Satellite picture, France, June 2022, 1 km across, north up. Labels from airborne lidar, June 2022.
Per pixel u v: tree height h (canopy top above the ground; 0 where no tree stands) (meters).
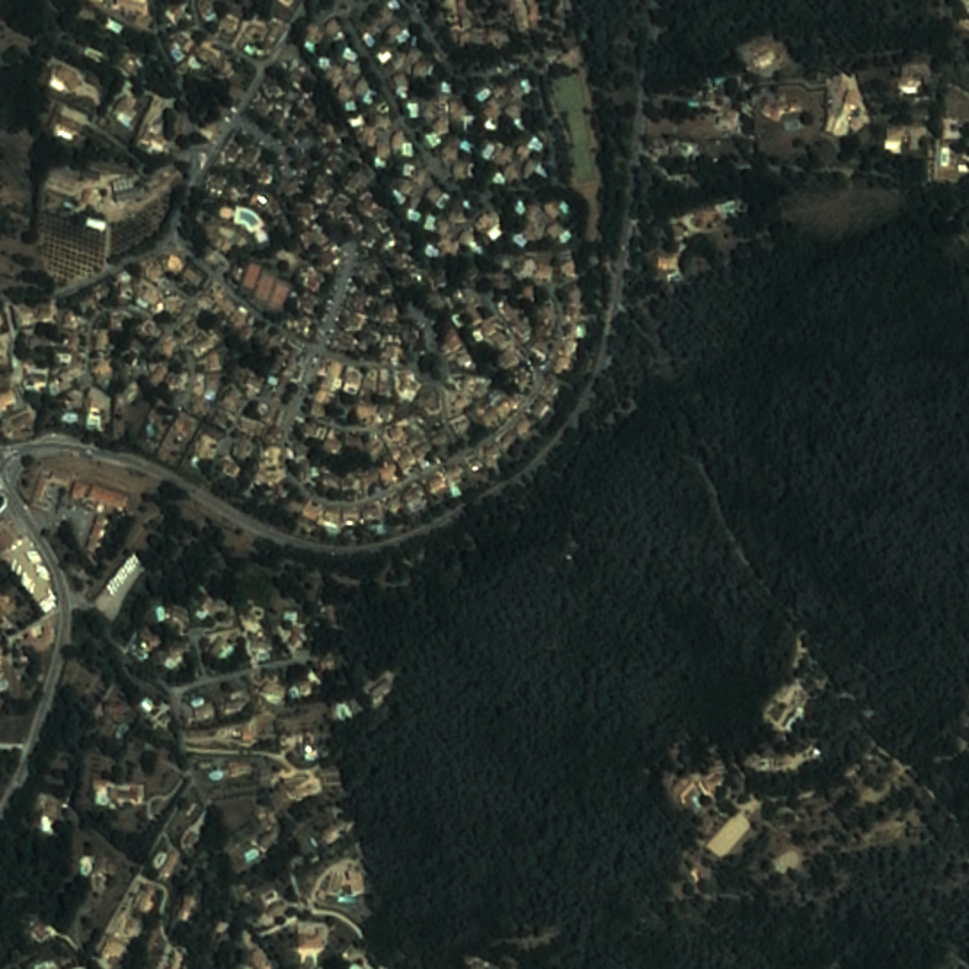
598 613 10
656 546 14
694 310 22
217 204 6
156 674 9
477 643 12
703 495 12
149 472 0
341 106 13
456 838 16
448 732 15
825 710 17
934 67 12
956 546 19
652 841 16
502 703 20
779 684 7
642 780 13
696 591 22
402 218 11
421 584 14
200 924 21
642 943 11
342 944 10
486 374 17
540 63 10
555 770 15
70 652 13
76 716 18
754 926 17
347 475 10
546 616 15
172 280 8
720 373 11
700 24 14
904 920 17
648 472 14
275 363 9
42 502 0
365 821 18
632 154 8
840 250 14
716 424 18
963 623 15
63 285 6
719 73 16
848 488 18
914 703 18
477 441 11
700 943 9
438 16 8
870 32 12
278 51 0
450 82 8
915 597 20
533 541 12
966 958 7
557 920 15
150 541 13
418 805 16
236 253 12
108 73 9
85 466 0
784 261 17
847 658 11
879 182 10
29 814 15
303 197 9
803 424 11
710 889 20
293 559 11
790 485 24
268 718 0
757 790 11
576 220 12
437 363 7
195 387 0
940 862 22
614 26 16
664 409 12
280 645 9
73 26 13
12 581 12
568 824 12
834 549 11
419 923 14
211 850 13
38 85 10
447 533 12
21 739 0
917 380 20
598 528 11
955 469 21
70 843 15
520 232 14
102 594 0
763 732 12
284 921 8
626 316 9
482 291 12
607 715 16
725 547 7
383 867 20
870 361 16
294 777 0
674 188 17
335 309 0
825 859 16
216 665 15
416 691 19
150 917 15
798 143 9
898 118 9
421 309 12
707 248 14
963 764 15
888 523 20
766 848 11
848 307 13
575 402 13
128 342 10
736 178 14
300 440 9
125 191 0
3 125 20
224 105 12
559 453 14
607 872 16
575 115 0
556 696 21
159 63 11
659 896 11
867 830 21
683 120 14
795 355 14
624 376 9
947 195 14
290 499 9
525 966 14
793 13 20
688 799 0
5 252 5
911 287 19
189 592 11
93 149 18
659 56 17
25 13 14
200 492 0
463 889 17
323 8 11
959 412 10
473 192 9
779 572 12
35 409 6
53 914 9
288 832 14
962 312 17
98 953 9
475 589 19
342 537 8
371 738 11
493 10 10
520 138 9
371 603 13
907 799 15
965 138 9
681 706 16
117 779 15
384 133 0
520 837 16
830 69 17
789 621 10
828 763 11
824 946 8
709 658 16
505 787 17
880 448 17
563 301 14
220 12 10
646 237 10
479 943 14
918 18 18
